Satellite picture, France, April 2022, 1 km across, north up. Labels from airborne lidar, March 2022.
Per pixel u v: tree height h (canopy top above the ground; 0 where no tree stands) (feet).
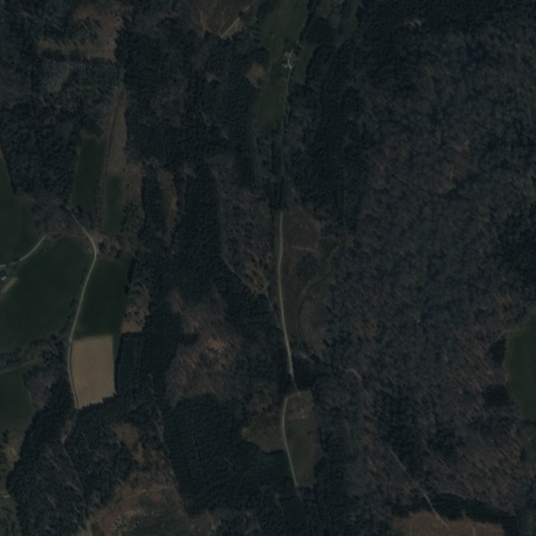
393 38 81
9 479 0
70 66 110
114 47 0
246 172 56
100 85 106
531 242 48
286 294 0
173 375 103
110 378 0
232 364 82
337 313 55
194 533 0
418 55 60
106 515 0
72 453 75
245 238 118
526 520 80
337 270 0
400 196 89
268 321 83
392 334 110
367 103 91
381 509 94
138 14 48
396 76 69
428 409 75
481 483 96
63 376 60
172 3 100
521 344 0
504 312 89
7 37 75
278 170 67
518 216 75
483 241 89
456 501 37
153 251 62
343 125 81
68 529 69
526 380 0
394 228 76
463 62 59
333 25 78
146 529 0
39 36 74
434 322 85
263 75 0
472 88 71
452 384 74
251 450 51
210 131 114
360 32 30
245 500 87
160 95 59
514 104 60
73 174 80
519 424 68
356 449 67
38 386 89
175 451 45
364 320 107
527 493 80
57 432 76
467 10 80
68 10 83
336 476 77
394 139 107
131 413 77
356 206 55
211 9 108
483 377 84
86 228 67
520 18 55
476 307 83
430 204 86
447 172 101
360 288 102
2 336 0
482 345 84
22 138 40
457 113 78
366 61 59
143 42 88
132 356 71
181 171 54
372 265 85
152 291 80
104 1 95
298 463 0
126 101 0
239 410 82
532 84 86
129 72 93
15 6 27
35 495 79
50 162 62
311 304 0
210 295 84
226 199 115
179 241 97
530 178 62
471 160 60
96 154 0
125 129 0
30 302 0
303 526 57
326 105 81
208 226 101
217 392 110
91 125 129
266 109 0
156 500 0
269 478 54
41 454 45
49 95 78
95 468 67
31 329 0
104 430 68
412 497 30
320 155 72
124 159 0
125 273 0
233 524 73
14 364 52
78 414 41
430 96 86
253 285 95
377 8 104
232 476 90
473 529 0
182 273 83
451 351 59
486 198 76
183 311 74
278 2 0
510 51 102
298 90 78
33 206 0
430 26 72
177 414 69
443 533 0
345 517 90
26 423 0
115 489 71
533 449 86
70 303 0
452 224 94
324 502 100
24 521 57
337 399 60
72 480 65
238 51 90
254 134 91
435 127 64
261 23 62
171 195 0
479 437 75
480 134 92
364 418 95
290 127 70
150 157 83
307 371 70
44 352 51
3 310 0
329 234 20
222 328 71
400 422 78
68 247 0
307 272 26
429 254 71
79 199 0
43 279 0
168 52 71
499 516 44
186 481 47
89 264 0
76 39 93
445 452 99
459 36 86
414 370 98
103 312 0
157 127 84
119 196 0
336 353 64
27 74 36
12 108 68
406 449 91
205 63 102
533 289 82
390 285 90
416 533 0
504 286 83
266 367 68
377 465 110
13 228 0
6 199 0
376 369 73
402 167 89
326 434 62
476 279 56
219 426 61
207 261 85
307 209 68
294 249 0
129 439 0
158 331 70
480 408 88
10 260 0
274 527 89
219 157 111
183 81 78
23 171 84
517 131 66
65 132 81
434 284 76
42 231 63
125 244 70
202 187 92
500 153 83
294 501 66
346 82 88
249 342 94
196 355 117
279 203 68
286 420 0
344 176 59
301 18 0
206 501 53
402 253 78
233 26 0
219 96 112
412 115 82
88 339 0
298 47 0
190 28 92
